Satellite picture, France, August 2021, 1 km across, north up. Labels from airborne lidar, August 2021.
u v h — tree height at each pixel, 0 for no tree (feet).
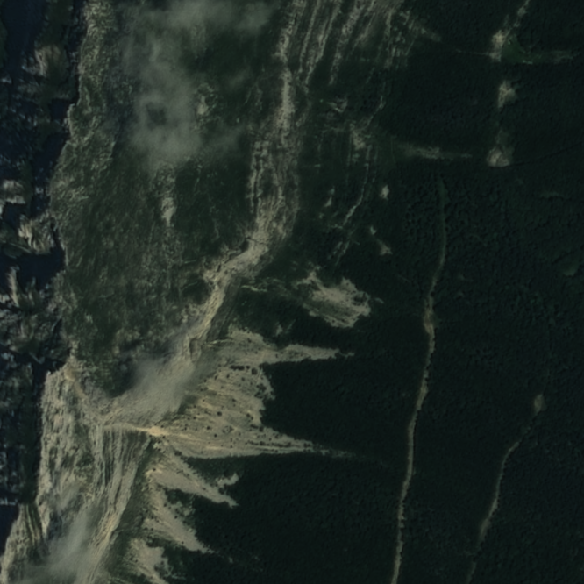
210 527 30
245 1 0
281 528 32
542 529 45
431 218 79
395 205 56
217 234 0
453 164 41
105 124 0
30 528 0
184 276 0
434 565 28
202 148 0
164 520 0
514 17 53
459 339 60
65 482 0
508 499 42
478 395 59
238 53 0
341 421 38
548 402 31
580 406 55
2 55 0
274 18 0
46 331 0
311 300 0
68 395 0
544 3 65
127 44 0
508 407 42
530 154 23
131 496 0
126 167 0
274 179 0
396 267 54
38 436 0
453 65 32
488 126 61
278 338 22
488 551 67
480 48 38
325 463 42
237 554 61
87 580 0
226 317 0
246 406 0
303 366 38
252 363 0
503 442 37
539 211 83
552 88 91
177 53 0
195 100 0
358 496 57
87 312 0
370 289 42
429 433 45
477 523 26
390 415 45
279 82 0
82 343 0
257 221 0
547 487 46
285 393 30
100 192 0
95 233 0
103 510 0
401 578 28
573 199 85
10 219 0
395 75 38
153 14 0
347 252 24
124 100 0
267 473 30
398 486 36
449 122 77
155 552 0
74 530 0
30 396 0
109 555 0
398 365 39
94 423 0
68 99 0
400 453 30
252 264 0
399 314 31
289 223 0
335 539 35
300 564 31
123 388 0
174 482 0
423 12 28
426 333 30
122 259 0
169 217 0
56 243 0
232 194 0
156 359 0
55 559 0
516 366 47
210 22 0
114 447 0
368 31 0
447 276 31
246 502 31
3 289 0
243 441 0
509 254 73
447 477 41
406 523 51
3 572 0
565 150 49
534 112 99
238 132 0
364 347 42
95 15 0
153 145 0
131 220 0
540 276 61
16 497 0
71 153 0
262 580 43
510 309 30
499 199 35
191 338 0
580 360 56
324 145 0
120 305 0
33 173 0
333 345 43
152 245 0
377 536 34
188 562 21
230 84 0
